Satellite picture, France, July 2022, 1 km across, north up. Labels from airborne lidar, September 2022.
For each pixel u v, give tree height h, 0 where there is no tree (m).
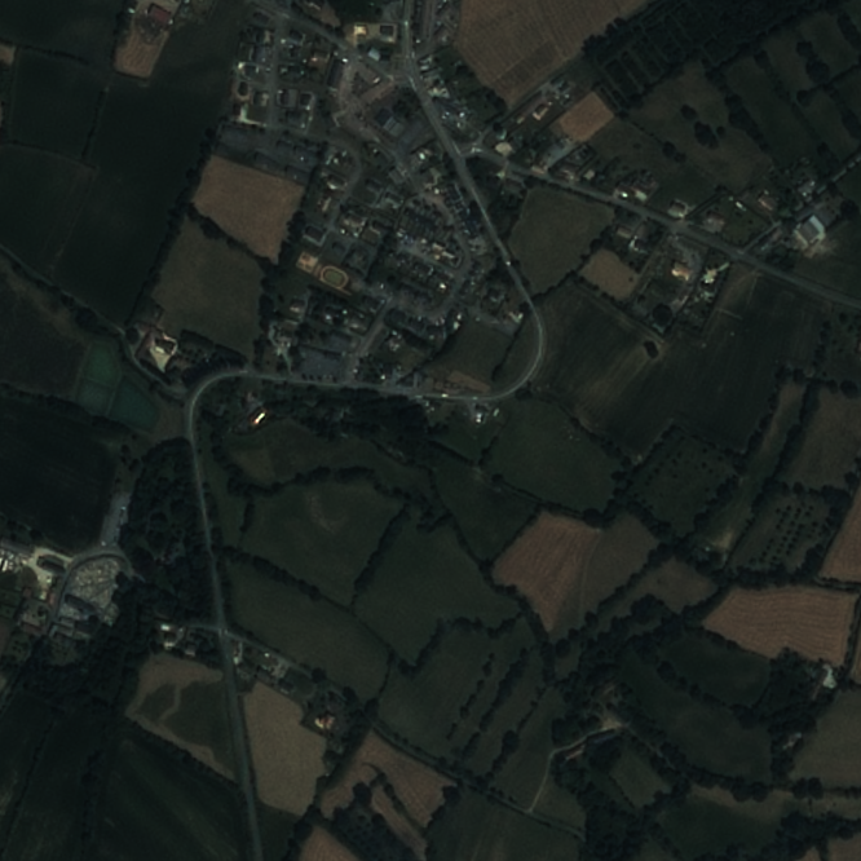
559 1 0
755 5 15
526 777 0
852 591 7
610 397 0
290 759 0
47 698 13
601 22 0
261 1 0
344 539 0
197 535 18
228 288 0
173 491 17
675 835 0
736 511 0
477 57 0
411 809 0
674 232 0
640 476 10
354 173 0
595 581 0
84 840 11
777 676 10
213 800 0
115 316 0
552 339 0
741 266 0
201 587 21
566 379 0
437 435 12
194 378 23
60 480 0
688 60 8
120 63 0
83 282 0
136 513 14
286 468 0
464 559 0
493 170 0
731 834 0
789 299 0
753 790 8
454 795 19
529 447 0
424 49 0
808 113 0
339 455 0
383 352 0
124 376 0
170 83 0
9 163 0
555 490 0
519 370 0
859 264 0
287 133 8
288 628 0
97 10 0
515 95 0
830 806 0
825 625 0
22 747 0
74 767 0
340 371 0
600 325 0
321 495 0
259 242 0
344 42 0
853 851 0
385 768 0
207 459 0
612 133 0
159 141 0
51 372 0
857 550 0
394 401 12
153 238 0
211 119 0
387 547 12
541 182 6
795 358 0
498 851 0
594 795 19
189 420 0
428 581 0
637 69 6
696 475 0
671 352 0
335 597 0
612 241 6
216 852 0
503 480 8
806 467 0
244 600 0
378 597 0
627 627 15
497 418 0
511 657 0
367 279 9
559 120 0
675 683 20
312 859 0
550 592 0
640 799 0
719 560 17
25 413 0
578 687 12
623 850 11
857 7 0
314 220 0
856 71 6
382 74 0
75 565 0
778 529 7
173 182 0
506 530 0
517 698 0
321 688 23
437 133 0
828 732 0
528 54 0
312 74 7
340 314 8
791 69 0
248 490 8
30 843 0
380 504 0
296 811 0
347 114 0
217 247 0
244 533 9
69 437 0
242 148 0
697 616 18
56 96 0
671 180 0
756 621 0
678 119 0
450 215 0
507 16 0
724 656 0
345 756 7
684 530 0
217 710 0
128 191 0
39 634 8
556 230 0
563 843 0
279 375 9
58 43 0
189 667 0
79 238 0
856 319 6
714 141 16
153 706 0
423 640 0
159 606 25
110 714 17
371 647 0
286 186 0
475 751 9
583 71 0
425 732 0
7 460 0
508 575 0
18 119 0
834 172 8
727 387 0
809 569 15
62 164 0
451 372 0
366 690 0
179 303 0
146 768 0
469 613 0
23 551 0
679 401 0
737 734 0
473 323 0
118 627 7
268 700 0
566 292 0
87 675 11
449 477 0
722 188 7
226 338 0
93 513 0
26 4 0
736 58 7
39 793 0
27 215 0
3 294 0
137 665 11
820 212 0
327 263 0
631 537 0
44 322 0
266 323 11
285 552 0
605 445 10
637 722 8
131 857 0
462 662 0
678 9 6
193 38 0
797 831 29
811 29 0
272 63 0
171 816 0
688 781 8
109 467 0
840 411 0
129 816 0
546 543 0
